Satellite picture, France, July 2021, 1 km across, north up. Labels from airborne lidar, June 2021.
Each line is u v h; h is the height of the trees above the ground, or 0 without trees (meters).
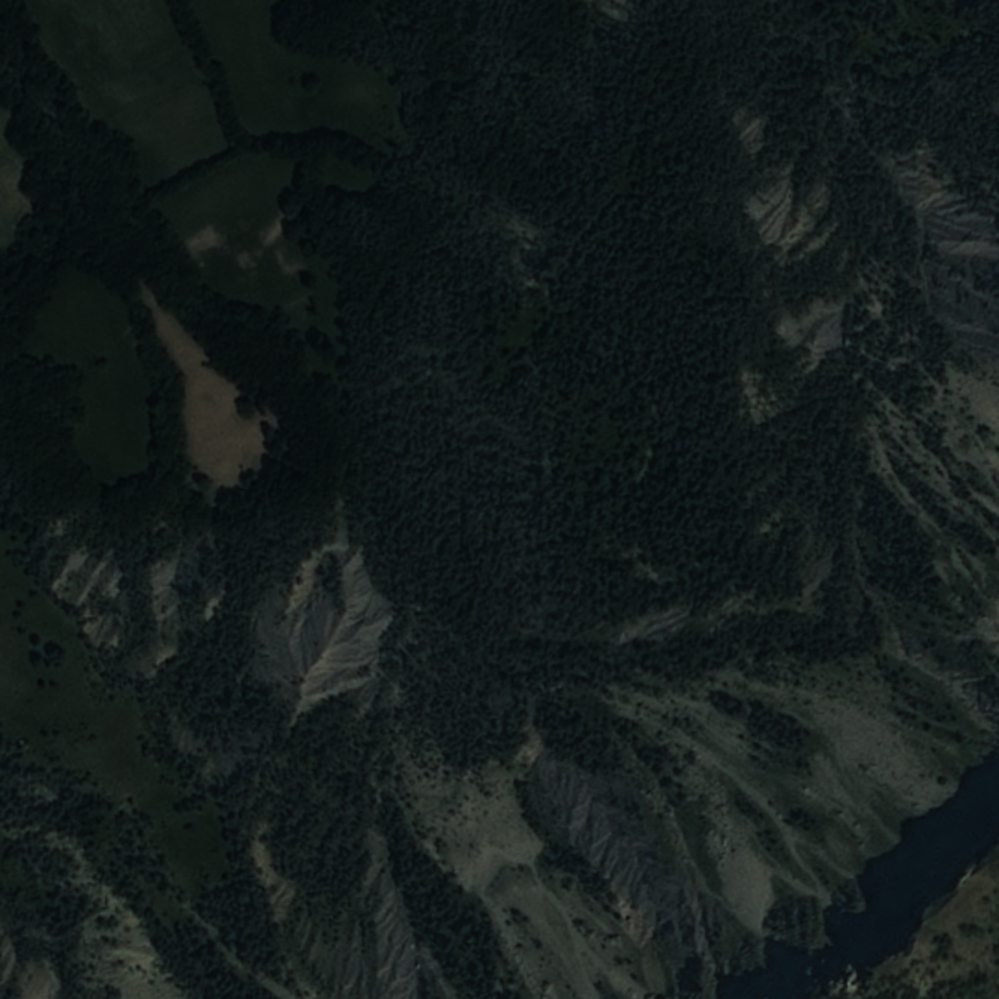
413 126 18
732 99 16
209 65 21
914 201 0
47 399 22
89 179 29
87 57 0
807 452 13
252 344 31
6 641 0
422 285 15
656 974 0
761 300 13
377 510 14
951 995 6
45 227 15
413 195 19
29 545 9
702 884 0
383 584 14
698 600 15
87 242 30
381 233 24
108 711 0
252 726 9
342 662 0
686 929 0
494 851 0
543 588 14
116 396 0
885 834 0
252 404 18
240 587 12
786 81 21
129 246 31
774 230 0
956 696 0
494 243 11
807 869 0
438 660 16
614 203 13
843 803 0
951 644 0
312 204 24
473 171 16
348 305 17
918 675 0
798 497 8
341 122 0
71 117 23
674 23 13
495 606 13
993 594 0
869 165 18
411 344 14
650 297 13
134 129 0
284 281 0
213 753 6
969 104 9
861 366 12
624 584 15
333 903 7
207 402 0
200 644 16
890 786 0
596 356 18
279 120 0
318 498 22
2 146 0
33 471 12
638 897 0
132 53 0
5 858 8
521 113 15
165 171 0
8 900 12
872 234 9
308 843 11
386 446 9
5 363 18
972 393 0
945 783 8
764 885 0
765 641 12
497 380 11
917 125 10
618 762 7
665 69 11
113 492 25
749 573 10
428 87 18
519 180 14
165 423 23
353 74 0
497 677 10
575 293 11
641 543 10
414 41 20
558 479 15
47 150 23
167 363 16
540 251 8
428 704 7
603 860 0
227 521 20
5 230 0
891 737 0
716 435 12
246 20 0
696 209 15
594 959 0
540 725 11
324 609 0
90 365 0
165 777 5
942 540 0
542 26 16
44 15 0
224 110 14
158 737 8
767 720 11
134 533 11
